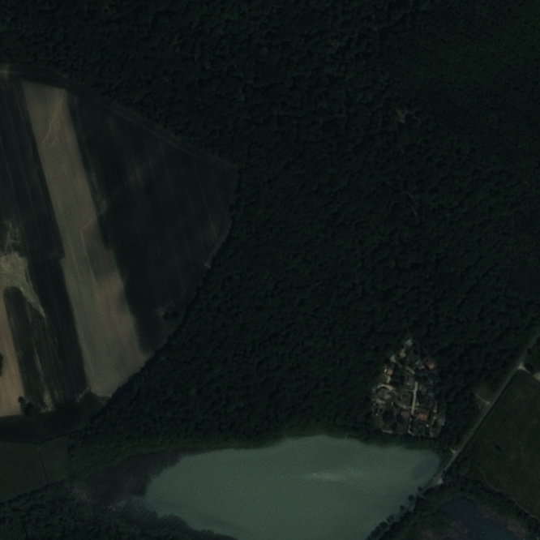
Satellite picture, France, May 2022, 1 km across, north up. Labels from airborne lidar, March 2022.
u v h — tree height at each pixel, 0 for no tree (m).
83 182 0
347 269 23
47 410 0
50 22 24
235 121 27
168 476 0
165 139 0
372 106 30
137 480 0
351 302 25
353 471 0
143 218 0
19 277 0
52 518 21
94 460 8
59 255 0
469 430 14
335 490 0
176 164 0
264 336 23
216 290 22
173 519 0
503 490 0
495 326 27
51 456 0
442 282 27
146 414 24
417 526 8
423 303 25
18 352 0
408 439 18
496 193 23
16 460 0
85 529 24
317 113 29
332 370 23
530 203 12
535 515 0
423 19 24
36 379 0
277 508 0
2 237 0
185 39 25
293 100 29
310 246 21
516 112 0
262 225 21
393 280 25
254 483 0
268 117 28
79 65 19
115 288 0
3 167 0
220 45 24
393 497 0
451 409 17
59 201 0
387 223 26
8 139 0
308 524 0
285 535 0
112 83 21
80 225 0
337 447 0
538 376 0
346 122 27
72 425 0
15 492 0
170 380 24
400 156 25
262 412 22
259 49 30
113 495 0
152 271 0
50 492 8
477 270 18
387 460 0
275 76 30
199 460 0
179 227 0
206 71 31
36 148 0
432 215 26
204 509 0
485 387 0
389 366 21
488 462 0
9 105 0
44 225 0
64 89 0
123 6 28
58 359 0
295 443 0
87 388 0
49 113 0
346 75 27
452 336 22
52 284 0
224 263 20
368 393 22
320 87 28
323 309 19
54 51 21
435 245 26
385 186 23
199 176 0
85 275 0
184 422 20
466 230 19
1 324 0
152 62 25
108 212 0
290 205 19
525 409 0
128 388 16
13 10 22
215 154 12
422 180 23
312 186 20
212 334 22
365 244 22
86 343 0
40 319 0
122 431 19
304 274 21
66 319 0
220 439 6
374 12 29
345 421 21
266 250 22
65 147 0
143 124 0
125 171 0
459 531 0
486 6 16
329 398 20
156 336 0
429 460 0
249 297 21
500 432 0
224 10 24
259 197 23
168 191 0
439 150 23
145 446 7
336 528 0
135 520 0
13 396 0
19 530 19
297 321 16
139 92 23
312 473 0
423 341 24
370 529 0
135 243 0
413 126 26
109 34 22
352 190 21
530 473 0
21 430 0
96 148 0
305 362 22
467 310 24
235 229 17
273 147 23
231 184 0
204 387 22
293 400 22
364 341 21
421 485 0
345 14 23
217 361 24
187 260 0
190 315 17
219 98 27
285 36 31
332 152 25
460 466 21
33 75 0
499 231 15
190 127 19
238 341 21
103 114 0
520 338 26
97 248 0
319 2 27
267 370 27
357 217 20
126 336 0
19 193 0
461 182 21
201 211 0
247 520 0
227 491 0
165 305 0
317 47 25
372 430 14
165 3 24
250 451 0
